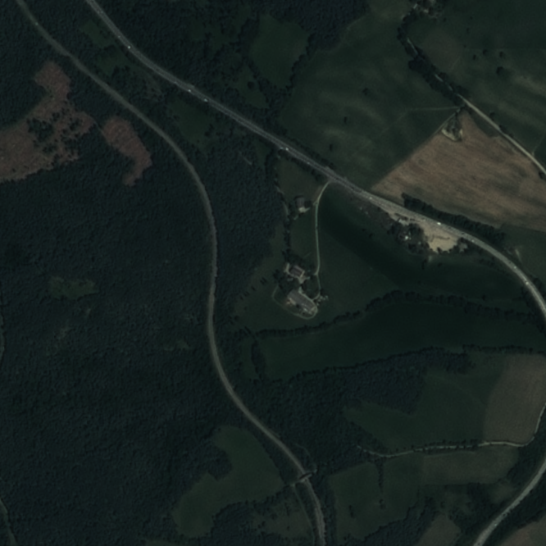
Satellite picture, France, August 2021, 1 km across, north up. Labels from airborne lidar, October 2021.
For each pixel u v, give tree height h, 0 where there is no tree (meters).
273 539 12
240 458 0
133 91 8
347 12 13
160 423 13
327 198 0
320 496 13
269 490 0
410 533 14
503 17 0
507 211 0
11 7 13
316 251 0
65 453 14
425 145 0
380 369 14
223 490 0
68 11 12
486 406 0
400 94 0
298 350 0
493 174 0
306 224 0
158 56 15
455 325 0
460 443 9
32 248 19
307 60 17
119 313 11
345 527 0
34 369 16
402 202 0
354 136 0
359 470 0
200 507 0
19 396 12
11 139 0
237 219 10
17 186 16
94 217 16
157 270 8
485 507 13
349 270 0
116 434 15
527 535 0
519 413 0
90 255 12
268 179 11
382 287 0
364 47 0
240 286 12
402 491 0
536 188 0
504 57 8
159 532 14
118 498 13
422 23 0
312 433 8
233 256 14
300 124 0
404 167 0
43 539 12
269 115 16
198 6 23
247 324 0
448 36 0
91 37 9
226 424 12
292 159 8
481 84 0
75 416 12
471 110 7
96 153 16
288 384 10
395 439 0
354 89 0
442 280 0
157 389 14
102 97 13
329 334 0
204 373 17
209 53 24
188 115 0
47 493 21
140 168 0
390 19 0
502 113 0
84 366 15
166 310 11
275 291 0
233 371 9
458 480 0
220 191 10
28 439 13
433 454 8
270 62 0
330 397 9
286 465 10
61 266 14
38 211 16
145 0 19
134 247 12
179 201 13
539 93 0
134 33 21
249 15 0
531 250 0
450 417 0
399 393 17
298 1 17
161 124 15
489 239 9
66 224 17
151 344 13
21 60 14
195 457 13
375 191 0
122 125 0
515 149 0
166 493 11
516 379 0
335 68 0
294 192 0
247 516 12
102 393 16
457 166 0
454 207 0
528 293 12
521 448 8
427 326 0
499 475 0
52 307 15
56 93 0
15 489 9
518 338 0
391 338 0
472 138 0
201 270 7
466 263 0
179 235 14
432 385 0
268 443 14
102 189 15
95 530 14
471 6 0
